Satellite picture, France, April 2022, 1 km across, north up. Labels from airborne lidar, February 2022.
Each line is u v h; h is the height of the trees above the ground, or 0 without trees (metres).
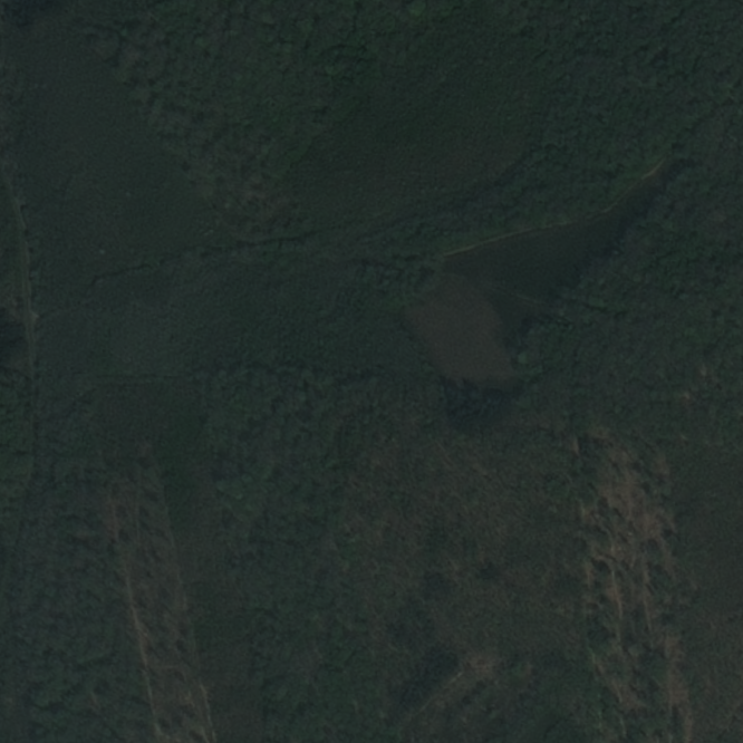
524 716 20
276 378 27
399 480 16
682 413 25
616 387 26
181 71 25
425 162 15
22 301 17
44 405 24
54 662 27
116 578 32
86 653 30
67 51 17
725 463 17
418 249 23
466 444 19
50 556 28
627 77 23
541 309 0
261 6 34
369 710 31
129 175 15
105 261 17
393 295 23
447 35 17
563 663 23
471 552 23
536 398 22
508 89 10
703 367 28
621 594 0
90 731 29
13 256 14
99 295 21
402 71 21
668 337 27
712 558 15
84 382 24
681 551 18
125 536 0
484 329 0
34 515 22
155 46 29
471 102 13
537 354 26
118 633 31
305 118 27
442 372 0
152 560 0
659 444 27
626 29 26
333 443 28
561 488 20
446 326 0
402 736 27
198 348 14
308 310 15
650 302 23
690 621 18
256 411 29
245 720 8
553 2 22
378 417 20
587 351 23
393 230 24
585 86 23
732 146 25
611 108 26
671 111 27
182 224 14
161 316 17
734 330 26
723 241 28
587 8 28
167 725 0
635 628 0
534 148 17
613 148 24
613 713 30
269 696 26
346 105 21
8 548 25
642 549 0
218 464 10
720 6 28
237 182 27
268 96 24
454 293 0
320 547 32
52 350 18
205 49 27
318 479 31
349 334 16
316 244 28
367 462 20
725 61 30
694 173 26
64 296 22
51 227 16
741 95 25
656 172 0
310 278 19
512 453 18
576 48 22
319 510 29
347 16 32
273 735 29
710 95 27
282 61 30
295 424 33
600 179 24
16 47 19
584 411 25
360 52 21
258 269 18
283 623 31
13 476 23
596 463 32
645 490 0
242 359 16
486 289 0
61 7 12
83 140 14
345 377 21
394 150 14
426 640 21
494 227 27
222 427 26
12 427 23
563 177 26
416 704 29
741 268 25
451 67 19
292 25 29
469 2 27
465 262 0
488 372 0
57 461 24
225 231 10
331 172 14
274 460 31
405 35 24
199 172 24
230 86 29
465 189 16
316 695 27
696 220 28
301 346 15
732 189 23
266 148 28
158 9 20
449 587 31
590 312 23
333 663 29
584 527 27
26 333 15
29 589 29
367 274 20
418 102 17
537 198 28
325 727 28
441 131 12
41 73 14
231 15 27
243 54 30
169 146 26
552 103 19
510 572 16
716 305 26
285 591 33
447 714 0
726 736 12
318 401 29
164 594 0
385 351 20
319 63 25
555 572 19
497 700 0
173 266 27
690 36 29
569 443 22
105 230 18
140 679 32
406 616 30
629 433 28
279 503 31
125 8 16
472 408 29
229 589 8
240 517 32
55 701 30
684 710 0
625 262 27
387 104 18
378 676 27
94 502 31
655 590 0
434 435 18
